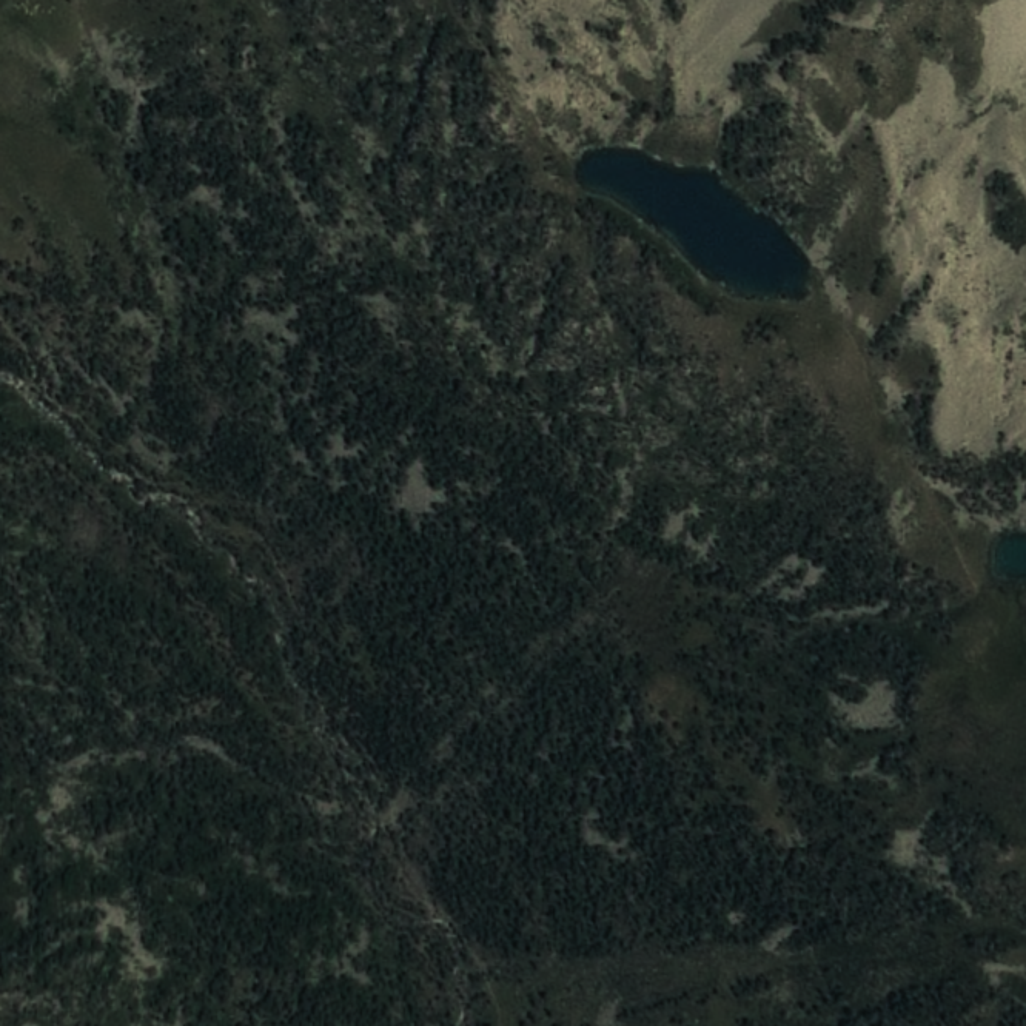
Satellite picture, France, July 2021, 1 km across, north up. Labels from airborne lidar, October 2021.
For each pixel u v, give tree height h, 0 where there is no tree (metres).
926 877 0
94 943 9
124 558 0
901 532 0
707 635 0
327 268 10
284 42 0
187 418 9
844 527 7
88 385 7
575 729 11
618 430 6
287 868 11
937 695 0
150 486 12
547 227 7
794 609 18
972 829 12
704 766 9
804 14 8
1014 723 0
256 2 0
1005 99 0
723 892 19
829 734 6
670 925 6
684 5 0
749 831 13
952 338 0
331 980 15
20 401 0
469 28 0
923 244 0
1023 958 0
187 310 11
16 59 0
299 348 8
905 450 0
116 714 12
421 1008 8
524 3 0
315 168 10
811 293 0
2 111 0
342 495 11
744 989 13
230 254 7
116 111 12
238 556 8
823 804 9
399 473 12
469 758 12
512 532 11
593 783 12
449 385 13
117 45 0
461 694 10
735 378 0
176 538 14
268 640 10
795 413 10
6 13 0
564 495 8
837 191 0
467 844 14
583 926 12
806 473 13
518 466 7
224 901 12
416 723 16
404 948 15
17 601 8
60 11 0
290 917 11
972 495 12
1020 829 0
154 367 8
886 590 12
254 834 7
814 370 0
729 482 6
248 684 7
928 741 0
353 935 13
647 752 20
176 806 16
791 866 12
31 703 12
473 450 7
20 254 0
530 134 0
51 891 8
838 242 0
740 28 0
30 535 0
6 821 7
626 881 11
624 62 0
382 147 0
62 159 0
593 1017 0
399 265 8
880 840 15
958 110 0
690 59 0
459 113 7
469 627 7
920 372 0
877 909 12
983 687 0
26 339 16
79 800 0
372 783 16
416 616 10
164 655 11
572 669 6
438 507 16
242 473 7
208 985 7
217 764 12
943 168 0
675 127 0
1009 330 0
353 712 9
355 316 9
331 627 8
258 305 12
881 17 0
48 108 0
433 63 9
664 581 0
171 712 10
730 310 0
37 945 8
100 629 11
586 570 10
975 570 0
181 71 9
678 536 0
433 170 15
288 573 0
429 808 9
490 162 0
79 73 0
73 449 0
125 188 0
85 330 13
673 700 0
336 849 12
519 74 0
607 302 17
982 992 7
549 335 9
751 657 12
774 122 7
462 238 9
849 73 0
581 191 0
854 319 0
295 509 6
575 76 0
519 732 16
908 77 0
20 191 0
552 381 8
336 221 7
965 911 0
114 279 8
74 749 9
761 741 10
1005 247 0
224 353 14
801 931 13
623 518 12
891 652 11
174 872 14
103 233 0
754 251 0
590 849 14
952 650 0
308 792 7
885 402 0
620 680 14
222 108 7
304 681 11
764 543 7
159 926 13
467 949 12
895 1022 10
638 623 0
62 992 8
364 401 16
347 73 0
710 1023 0
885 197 0
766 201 9
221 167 12
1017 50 0
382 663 7
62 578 11
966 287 0
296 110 0
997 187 7
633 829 18
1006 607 0
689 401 0
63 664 8
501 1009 0
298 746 14
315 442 14
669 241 0
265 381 8
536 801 6
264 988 14
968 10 0
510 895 10
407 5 0
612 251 11
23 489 7
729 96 0
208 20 0
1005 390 0
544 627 7
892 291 0
